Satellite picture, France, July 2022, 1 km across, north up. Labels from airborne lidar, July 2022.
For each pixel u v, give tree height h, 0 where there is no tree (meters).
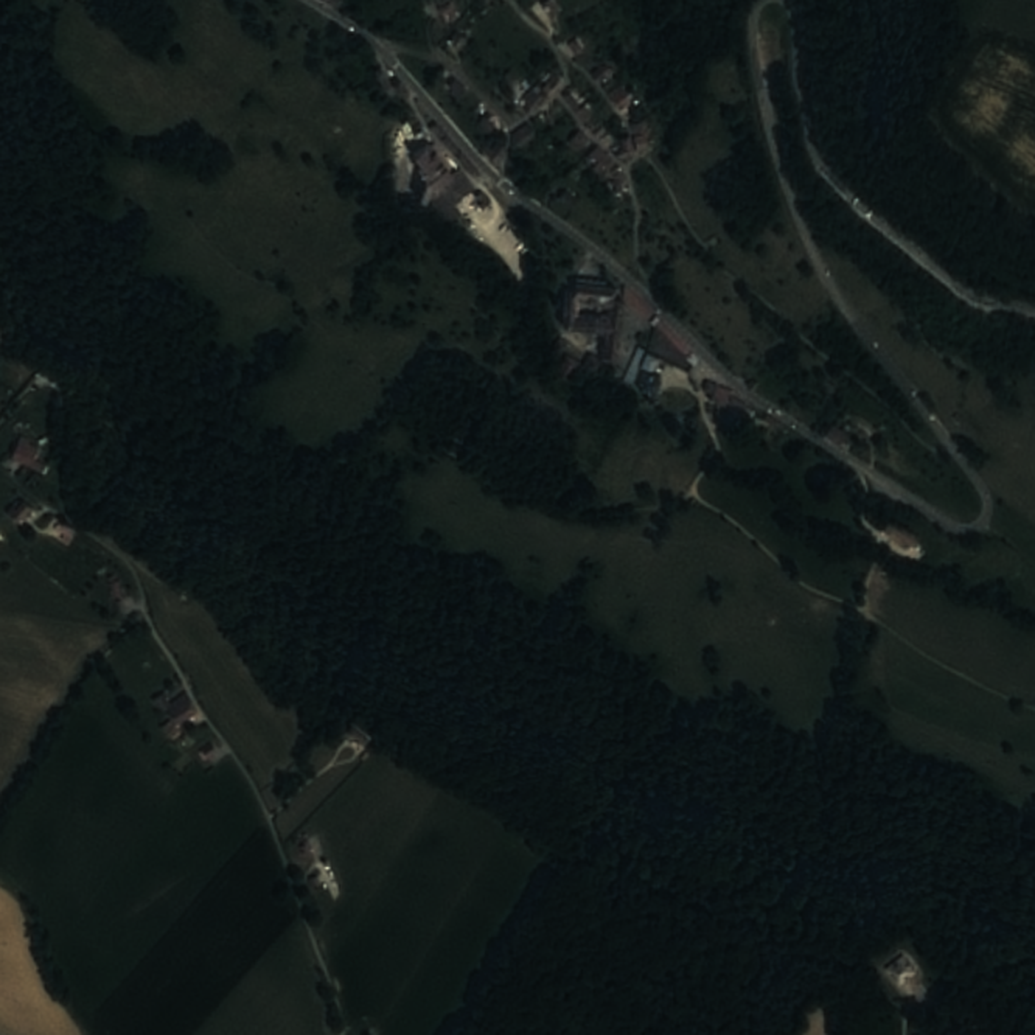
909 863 22
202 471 28
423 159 0
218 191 0
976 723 0
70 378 13
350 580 24
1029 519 0
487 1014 32
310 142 0
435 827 0
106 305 31
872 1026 19
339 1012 13
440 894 0
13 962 0
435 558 20
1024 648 0
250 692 0
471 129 0
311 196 0
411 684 35
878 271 14
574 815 32
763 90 0
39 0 0
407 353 0
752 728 26
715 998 29
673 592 0
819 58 29
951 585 16
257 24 23
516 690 32
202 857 0
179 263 0
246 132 0
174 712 0
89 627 0
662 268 13
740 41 27
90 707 0
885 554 20
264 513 28
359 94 23
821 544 24
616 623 0
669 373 0
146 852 0
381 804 0
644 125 0
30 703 0
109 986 0
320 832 0
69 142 30
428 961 0
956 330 8
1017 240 23
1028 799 0
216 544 32
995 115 0
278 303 0
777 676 0
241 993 0
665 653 0
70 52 0
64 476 12
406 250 13
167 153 21
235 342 0
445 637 30
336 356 0
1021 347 22
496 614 26
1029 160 0
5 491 0
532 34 0
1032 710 0
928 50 26
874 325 0
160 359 29
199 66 0
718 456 14
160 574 14
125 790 0
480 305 7
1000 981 27
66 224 35
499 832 0
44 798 0
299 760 16
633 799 27
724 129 0
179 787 0
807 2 25
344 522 31
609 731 31
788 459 12
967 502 0
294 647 30
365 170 0
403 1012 0
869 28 34
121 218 0
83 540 0
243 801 0
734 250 0
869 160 24
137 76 0
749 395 0
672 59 17
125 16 29
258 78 0
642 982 28
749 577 0
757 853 46
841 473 25
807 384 7
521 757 41
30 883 0
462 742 30
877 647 12
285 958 0
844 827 31
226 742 0
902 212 23
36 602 0
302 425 0
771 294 0
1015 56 0
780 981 38
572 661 21
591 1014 32
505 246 0
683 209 0
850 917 31
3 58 30
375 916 0
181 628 0
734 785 34
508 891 0
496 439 26
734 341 0
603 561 0
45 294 32
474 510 0
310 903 9
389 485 14
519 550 0
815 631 0
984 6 0
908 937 10
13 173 30
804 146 18
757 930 26
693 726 31
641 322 0
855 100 29
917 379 0
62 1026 0
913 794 34
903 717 0
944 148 19
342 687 33
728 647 0
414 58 0
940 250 16
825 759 23
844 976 29
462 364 27
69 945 0
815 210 23
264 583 34
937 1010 24
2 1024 0
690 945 28
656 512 0
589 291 0
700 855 31
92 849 0
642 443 0
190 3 0
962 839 25
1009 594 17
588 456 0
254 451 31
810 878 41
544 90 0
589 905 29
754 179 19
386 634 28
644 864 30
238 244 0
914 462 0
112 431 32
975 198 19
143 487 27
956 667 0
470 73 0
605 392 31
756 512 0
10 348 12
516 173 8
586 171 7
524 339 11
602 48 6
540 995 29
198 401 27
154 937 0
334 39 16
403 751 23
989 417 0
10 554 0
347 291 0
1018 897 35
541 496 24
